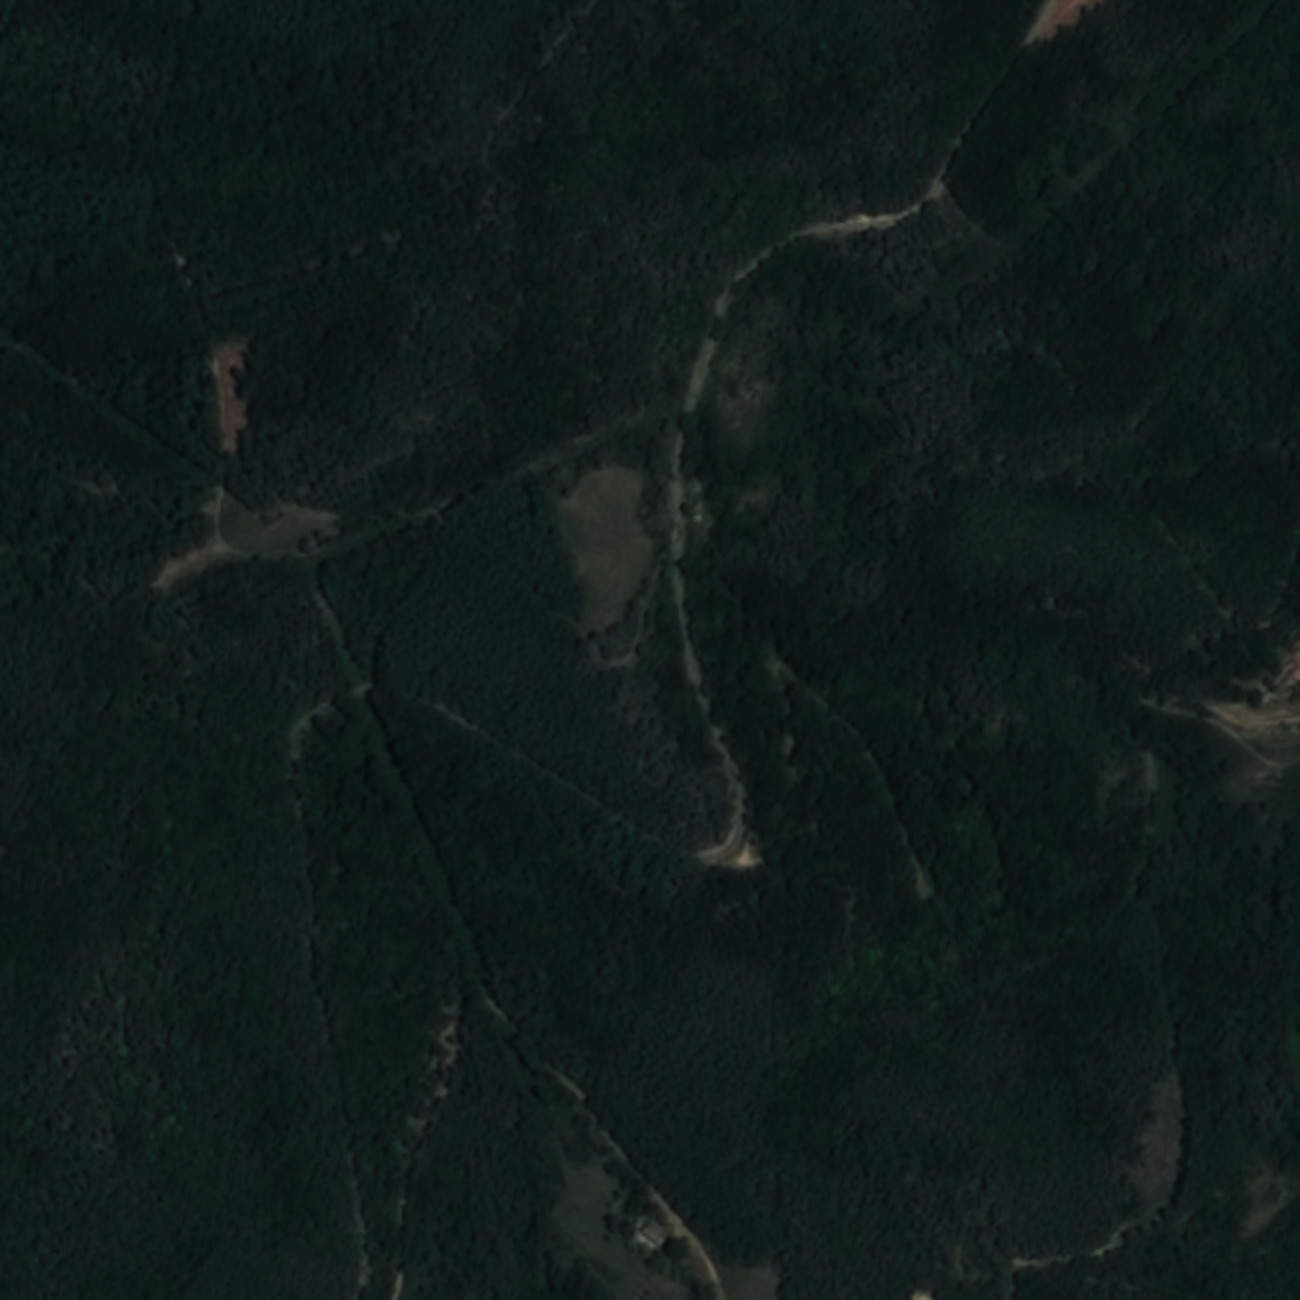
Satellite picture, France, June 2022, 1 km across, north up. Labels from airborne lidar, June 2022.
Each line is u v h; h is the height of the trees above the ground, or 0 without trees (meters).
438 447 18
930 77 15
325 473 7
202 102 13
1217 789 21
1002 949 17
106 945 11
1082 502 19
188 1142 17
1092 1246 15
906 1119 21
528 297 10
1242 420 15
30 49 18
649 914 14
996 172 18
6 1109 10
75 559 27
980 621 25
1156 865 24
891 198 15
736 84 13
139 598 27
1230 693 17
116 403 14
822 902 19
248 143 14
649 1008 14
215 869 18
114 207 28
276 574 14
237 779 19
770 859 13
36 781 15
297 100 15
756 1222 19
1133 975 25
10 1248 12
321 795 17
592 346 12
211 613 14
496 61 14
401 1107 13
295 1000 22
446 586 23
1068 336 16
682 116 15
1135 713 24
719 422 9
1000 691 16
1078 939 16
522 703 21
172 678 19
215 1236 18
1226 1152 27
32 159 25
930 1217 13
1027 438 19
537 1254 24
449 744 15
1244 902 17
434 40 16
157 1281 16
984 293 18
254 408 12
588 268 14
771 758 21
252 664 21
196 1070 14
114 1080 10
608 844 30
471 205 11
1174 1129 0
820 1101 19
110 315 19
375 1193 21
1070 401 16
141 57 17
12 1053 13
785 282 14
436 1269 12
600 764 17
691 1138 17
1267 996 22
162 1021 9
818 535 19
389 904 23
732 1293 0
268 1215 19
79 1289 14
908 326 14
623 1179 10
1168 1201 0
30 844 14
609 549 0
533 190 11
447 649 18
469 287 12
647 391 14
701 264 16
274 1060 21
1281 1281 9
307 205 17
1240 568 16
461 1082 16
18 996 12
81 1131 16
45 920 11
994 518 11
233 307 15
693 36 9
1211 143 16
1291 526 20
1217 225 11
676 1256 23
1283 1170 8
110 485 29
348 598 18
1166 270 13
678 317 14
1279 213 21
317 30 31
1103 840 18
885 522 17
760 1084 15
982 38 19
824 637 22
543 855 19
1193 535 15
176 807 20
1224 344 17
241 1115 15
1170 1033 14
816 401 9
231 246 15
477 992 17
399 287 12
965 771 25
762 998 20
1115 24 11
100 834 16
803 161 16
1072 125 8
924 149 16
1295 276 19
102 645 21
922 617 23
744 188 12
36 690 18
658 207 15
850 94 12
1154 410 12
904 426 9
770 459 12
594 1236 0
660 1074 19
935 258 11
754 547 11
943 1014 16
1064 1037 20
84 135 16
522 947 14
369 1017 23
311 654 13
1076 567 16
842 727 16
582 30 13
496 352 6
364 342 16
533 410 13
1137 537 13
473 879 17
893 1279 23
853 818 17
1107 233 15
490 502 31
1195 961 18
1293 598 16
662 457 21
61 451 23
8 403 22
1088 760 12
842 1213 16
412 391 16
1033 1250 19
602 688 13
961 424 20
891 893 18
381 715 20
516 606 26
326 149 12
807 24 18
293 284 15
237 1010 17
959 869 16
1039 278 10
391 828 25
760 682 24
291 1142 16
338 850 29
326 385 15
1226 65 15
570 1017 16
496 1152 23
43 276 34
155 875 15
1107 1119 17
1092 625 13
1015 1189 14
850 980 11
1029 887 27
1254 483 23
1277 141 18
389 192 12
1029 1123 16
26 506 13
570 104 12
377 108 11
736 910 10
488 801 21
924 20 11
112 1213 20
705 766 11
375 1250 15
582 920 12
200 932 21
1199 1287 9
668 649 10
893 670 26
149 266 18
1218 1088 19
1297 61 12
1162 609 14
